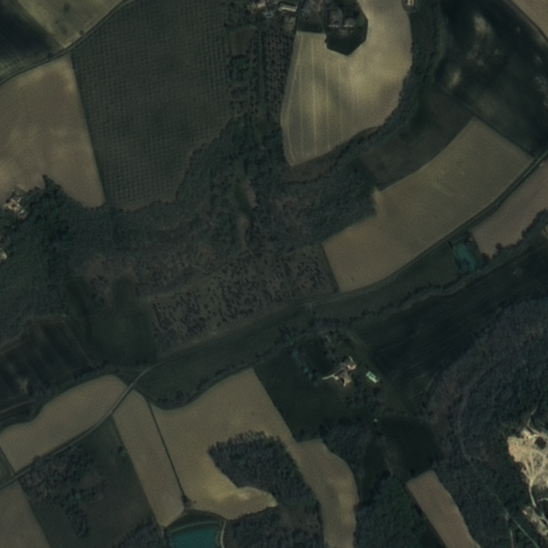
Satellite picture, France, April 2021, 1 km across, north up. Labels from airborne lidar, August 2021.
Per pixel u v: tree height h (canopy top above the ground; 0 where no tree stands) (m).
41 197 15
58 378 0
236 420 0
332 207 19
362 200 18
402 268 0
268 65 6
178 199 10
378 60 0
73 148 0
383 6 0
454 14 0
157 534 23
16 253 14
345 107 0
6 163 0
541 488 0
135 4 7
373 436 25
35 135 0
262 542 7
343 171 19
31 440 0
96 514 0
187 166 7
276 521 8
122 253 18
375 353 0
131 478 0
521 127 0
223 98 6
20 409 0
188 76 7
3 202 0
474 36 0
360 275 0
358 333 0
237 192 0
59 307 18
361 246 0
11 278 18
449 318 0
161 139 8
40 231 21
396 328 0
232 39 0
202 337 8
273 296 7
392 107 0
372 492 0
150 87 8
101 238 18
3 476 0
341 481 0
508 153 0
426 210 0
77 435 0
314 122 0
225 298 7
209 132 8
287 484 22
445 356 0
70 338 0
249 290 7
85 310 0
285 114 0
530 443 0
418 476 14
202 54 8
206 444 0
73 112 0
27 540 0
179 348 11
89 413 0
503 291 0
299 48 0
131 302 0
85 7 0
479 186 0
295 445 0
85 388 0
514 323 19
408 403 0
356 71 0
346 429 21
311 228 20
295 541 10
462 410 12
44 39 0
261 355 8
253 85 7
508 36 0
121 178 9
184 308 6
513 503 9
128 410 0
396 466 0
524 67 0
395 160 0
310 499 23
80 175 0
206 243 14
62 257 19
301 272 6
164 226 14
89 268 15
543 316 21
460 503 11
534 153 0
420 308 0
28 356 0
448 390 14
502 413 5
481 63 0
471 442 10
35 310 22
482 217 0
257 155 17
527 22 0
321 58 0
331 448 16
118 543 0
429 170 0
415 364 0
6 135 0
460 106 0
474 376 15
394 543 14
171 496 0
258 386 0
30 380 0
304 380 0
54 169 0
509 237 0
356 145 16
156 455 0
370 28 0
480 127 0
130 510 0
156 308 8
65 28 0
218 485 0
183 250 13
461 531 0
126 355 0
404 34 0
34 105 0
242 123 11
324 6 0
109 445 0
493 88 0
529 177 0
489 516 19
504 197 0
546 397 9
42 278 18
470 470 15
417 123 0
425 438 0
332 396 0
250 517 8
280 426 0
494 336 17
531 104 0
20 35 0
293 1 0
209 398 0
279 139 12
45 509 0
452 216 0
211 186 10
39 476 14
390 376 0
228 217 19
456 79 0
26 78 0
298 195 16
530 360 16
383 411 26
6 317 21
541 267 0
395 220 0
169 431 0
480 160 0
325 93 0
